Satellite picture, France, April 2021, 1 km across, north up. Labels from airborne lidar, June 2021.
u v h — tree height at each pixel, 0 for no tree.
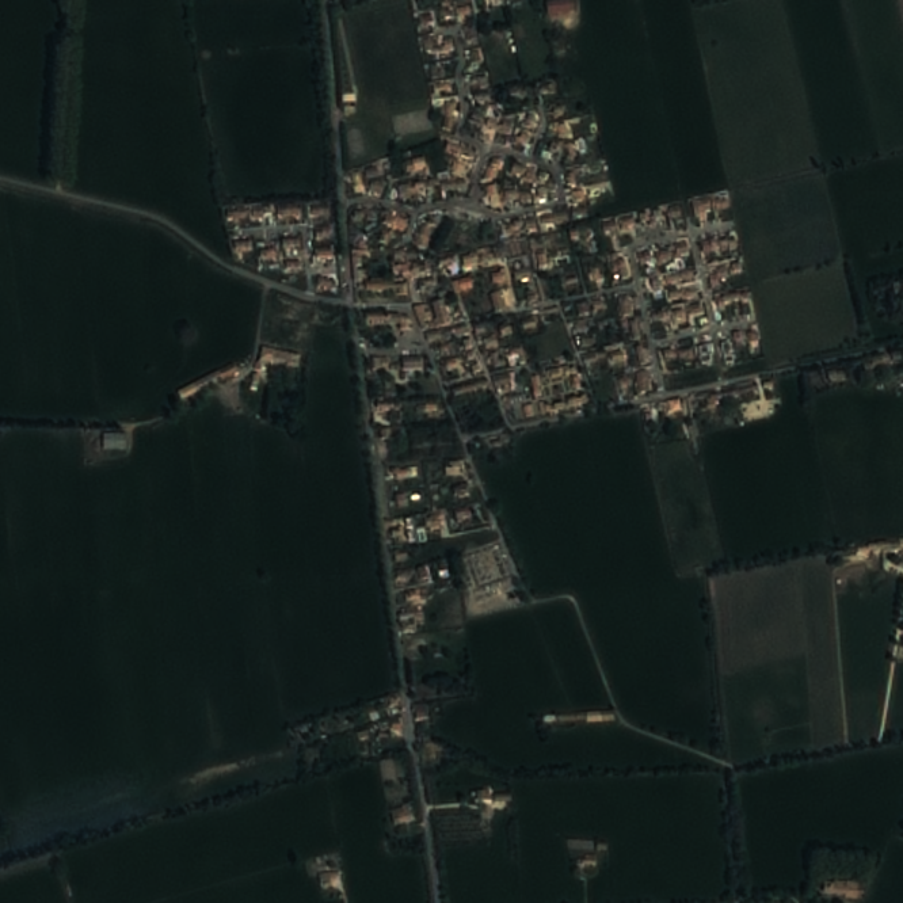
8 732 0
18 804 0
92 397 0
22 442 0
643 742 0
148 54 0
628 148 0
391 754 9
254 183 0
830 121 0
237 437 0
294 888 0
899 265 0
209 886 0
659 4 0
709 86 0
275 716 0
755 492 0
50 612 0
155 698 0
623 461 0
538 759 0
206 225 0
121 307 0
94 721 0
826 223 0
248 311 0
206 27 0
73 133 23
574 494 0
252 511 0
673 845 0
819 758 13
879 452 0
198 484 0
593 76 0
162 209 0
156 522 0
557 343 0
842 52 0
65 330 0
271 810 0
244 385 9
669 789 0
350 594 0
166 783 0
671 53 0
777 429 0
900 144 0
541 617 0
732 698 0
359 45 0
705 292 0
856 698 0
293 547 0
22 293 0
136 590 0
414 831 12
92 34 0
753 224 0
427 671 0
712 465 0
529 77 8
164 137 0
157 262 0
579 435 0
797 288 0
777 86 0
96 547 0
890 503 0
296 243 0
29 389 0
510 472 0
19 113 0
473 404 10
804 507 0
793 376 9
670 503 0
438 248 11
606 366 6
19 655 0
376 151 0
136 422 0
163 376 0
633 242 0
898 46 0
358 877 0
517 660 0
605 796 0
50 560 0
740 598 0
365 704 8
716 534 0
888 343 6
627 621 0
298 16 0
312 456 0
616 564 0
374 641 0
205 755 0
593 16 0
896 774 0
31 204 0
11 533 0
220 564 0
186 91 0
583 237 6
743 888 16
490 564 0
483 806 12
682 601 0
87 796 0
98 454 0
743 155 0
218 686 0
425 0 9
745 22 0
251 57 0
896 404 0
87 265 0
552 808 0
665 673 0
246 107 0
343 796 0
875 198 0
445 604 0
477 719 0
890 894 0
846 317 0
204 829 0
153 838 0
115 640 0
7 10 0
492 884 0
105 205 0
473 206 0
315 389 0
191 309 0
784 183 0
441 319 0
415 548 12
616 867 0
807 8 0
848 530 0
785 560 10
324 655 0
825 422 0
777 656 0
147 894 0
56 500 0
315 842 0
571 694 0
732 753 0
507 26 7
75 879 0
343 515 0
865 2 0
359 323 16
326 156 7
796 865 0
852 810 0
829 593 0
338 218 12
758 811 0
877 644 0
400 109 0
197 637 0
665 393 0
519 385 10
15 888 0
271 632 0
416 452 8
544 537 0
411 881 0
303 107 0
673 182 0
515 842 6
